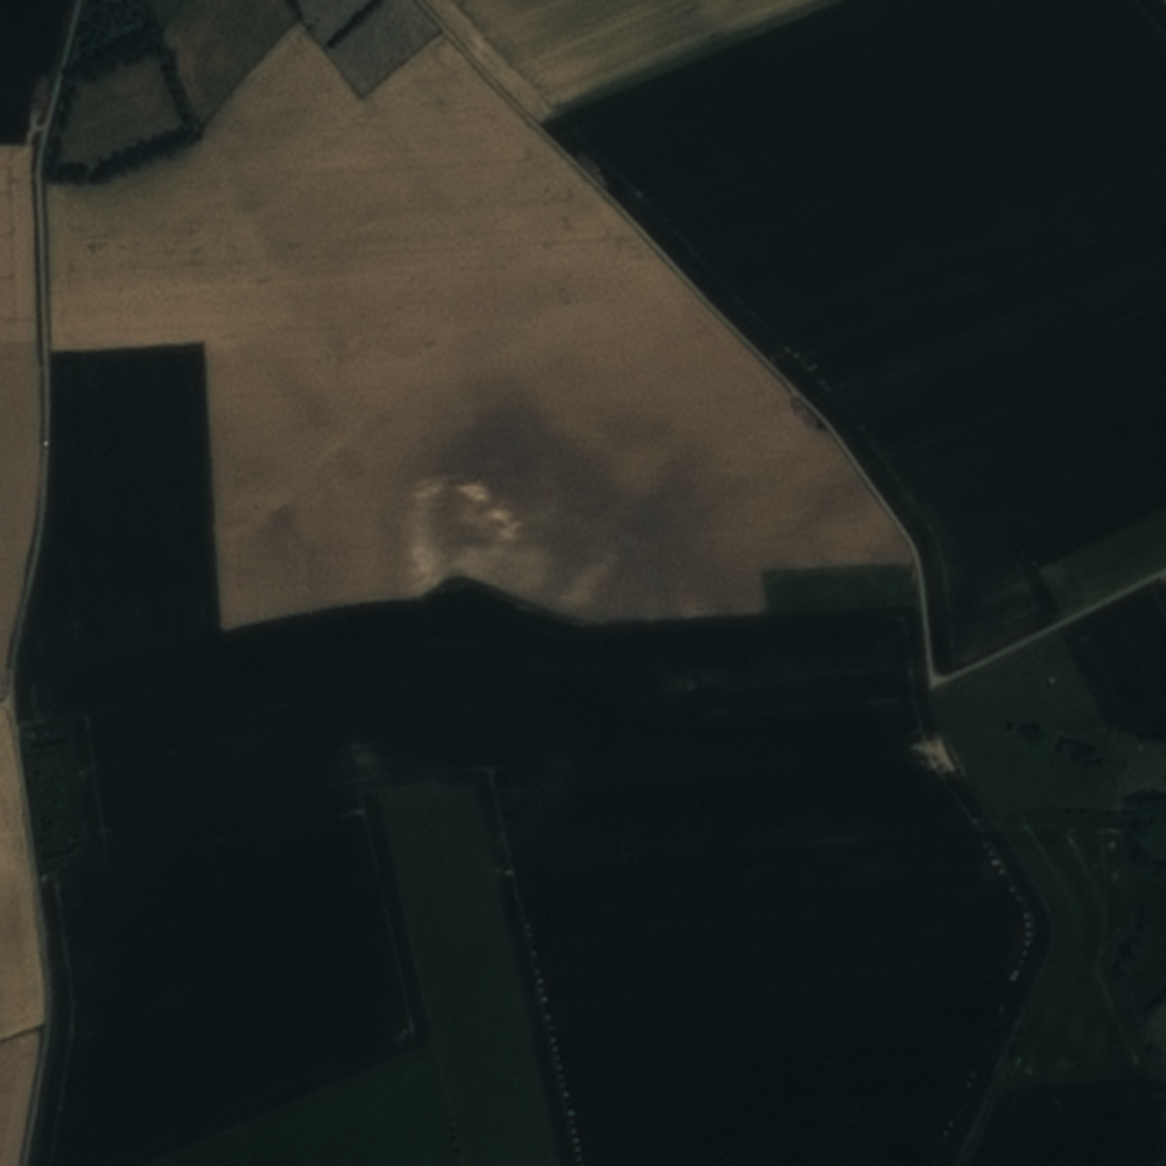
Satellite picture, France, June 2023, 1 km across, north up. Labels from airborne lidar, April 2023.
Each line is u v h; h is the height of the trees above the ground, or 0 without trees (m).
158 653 0
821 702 0
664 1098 0
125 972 0
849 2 0
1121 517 0
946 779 0
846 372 0
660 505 0
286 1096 0
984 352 0
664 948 0
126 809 0
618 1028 0
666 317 0
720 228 0
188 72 0
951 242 0
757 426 0
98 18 13
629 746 0
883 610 0
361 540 0
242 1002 0
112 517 0
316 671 0
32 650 0
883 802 0
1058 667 0
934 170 0
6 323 0
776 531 0
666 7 0
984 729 0
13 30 0
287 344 0
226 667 0
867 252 0
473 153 0
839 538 0
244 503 0
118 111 0
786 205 0
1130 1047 0
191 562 0
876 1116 0
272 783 0
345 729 0
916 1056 0
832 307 0
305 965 0
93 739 0
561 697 0
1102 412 0
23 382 0
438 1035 0
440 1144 0
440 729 0
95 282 0
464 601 0
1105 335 0
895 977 0
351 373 0
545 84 0
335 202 0
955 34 0
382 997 0
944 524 0
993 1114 0
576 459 0
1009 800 0
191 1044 0
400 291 0
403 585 0
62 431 0
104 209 0
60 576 0
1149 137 0
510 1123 0
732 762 0
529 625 0
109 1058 0
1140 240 0
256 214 0
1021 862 0
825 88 0
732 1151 0
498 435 0
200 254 0
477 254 0
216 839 0
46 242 0
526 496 0
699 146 0
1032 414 0
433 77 0
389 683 0
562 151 0
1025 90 0
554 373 0
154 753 0
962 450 0
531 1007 0
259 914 0
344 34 5
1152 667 0
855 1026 0
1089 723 0
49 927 0
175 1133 0
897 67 0
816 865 0
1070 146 0
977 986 0
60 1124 0
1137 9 0
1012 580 0
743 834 0
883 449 0
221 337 0
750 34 0
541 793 0
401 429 0
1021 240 0
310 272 0
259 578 0
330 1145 0
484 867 0
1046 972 0
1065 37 0
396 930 0
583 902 0
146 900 0
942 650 0
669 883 0
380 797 0
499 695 0
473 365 0
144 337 0
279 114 0
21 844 0
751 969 0
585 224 0
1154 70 0
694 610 0
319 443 0
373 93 0
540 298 0
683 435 0
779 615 0
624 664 0
